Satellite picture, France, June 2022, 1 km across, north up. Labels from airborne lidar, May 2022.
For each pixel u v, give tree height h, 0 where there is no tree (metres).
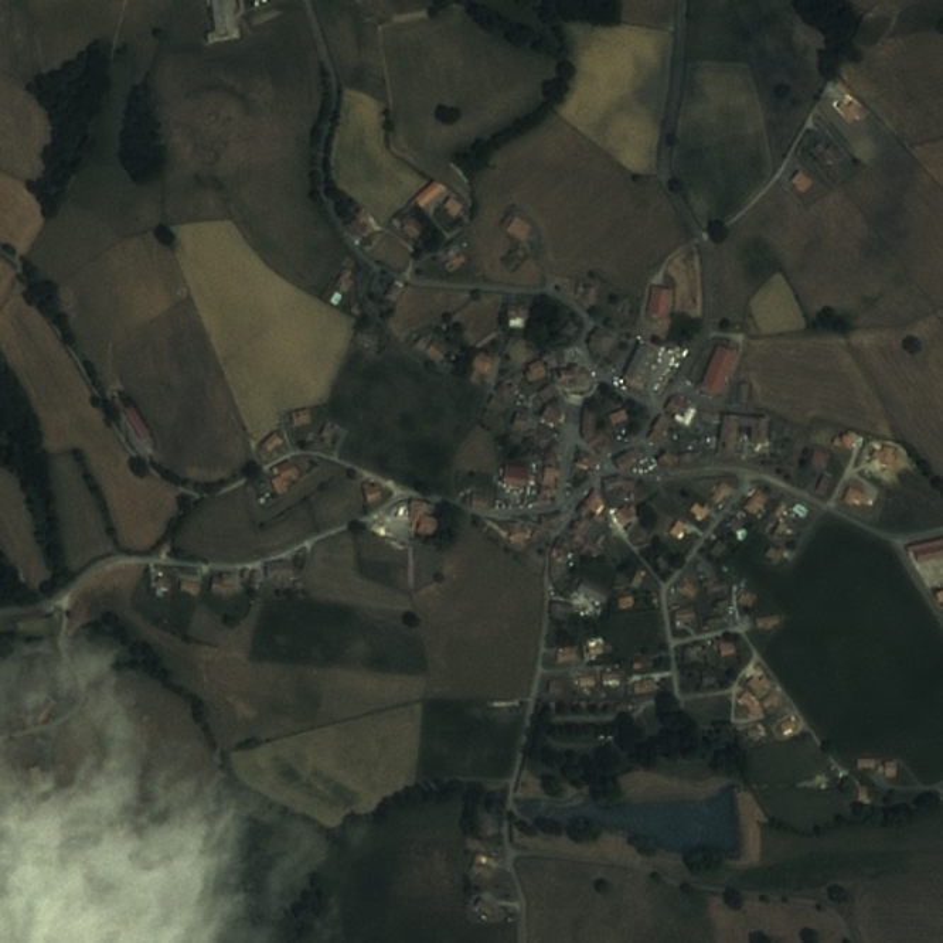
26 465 11
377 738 0
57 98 11
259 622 0
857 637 0
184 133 0
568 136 0
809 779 0
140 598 0
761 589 0
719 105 0
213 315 0
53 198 14
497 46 0
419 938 0
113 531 8
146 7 0
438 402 0
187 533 0
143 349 0
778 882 0
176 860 0
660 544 9
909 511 0
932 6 0
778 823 10
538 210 0
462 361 11
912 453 6
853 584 0
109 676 0
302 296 0
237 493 0
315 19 0
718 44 0
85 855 0
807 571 0
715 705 0
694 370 0
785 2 0
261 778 0
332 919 0
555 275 0
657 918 0
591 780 28
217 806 22
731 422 0
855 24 5
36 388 0
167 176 0
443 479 0
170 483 13
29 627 0
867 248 0
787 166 0
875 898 0
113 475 0
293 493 0
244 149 0
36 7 0
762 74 0
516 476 0
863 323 0
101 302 0
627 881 0
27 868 0
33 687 0
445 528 20
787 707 0
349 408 0
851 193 0
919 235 0
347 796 0
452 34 0
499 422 0
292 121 0
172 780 0
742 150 0
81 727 0
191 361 0
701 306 0
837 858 0
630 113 0
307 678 0
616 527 0
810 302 0
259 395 0
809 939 16
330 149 8
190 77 0
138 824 0
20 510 0
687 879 0
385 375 0
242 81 0
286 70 0
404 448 0
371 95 0
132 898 0
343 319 0
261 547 0
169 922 23
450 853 0
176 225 0
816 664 0
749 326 0
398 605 0
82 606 0
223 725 0
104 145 0
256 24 0
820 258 0
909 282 0
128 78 0
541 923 0
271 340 0
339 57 0
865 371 0
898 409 0
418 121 0
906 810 18
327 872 0
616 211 0
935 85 0
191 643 7
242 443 0
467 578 0
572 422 0
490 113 0
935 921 0
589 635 6
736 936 0
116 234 0
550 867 0
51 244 0
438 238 8
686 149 0
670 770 0
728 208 0
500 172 0
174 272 0
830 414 0
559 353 0
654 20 0
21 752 0
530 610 0
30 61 0
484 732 0
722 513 0
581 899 0
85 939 0
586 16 24
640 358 0
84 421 0
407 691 0
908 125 0
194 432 0
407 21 0
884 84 0
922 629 0
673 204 0
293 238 0
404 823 0
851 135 0
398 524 0
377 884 0
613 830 0
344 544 0
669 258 0
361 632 0
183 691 12
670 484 0
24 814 0
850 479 0
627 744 25
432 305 0
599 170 0
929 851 0
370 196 0
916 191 0
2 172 0
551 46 11
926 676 0
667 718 24
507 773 0
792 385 0
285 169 0
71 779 0
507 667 0
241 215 0
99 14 0
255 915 25
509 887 0
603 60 0
